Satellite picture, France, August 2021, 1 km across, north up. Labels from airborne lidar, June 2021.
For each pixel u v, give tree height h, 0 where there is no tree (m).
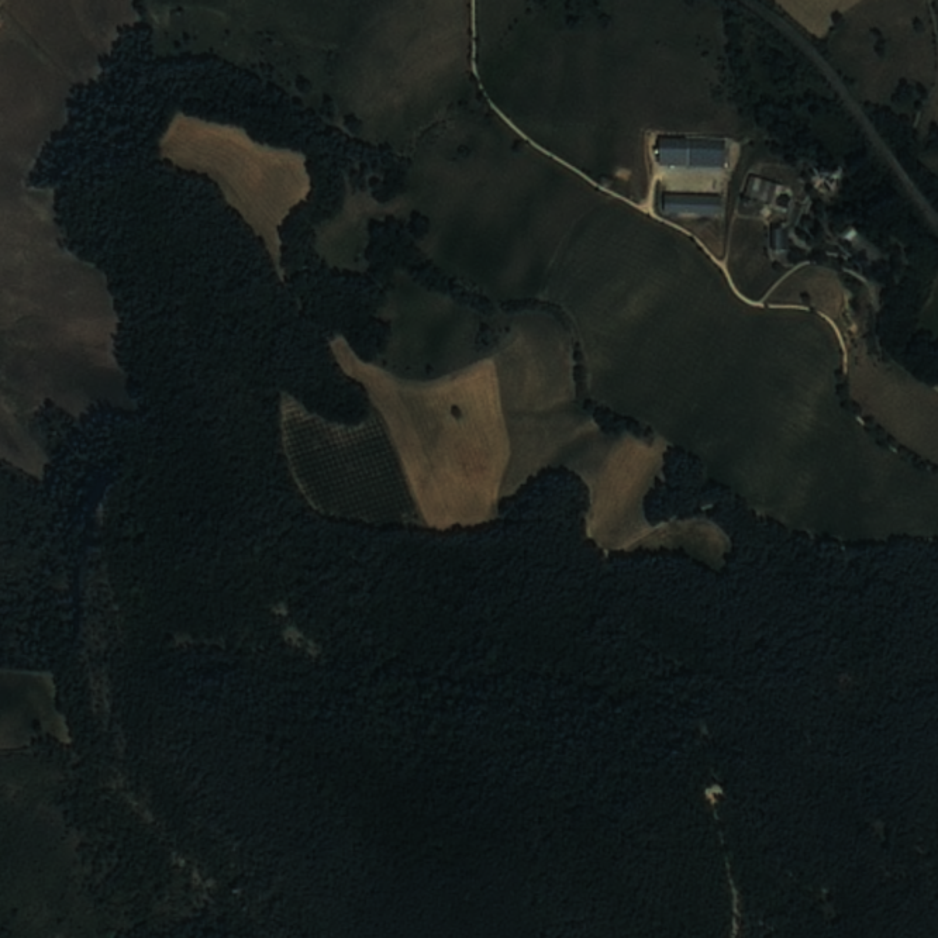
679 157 0
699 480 18
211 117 14
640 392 0
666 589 20
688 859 8
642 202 0
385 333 16
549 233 0
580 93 0
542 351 0
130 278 9
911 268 8
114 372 0
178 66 13
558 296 0
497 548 14
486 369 0
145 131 11
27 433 0
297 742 14
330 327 14
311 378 18
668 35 0
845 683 12
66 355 0
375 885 10
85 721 7
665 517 10
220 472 11
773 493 0
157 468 12
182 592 13
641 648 15
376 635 15
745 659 14
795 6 0
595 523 0
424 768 15
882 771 13
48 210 0
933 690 10
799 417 0
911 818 11
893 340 17
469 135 0
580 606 11
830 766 11
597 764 12
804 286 0
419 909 15
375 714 17
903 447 9
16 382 0
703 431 0
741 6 10
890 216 17
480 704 20
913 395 0
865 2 0
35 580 7
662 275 0
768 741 15
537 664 16
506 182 0
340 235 0
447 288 8
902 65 0
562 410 0
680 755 11
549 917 11
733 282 0
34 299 0
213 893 20
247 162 0
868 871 14
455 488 0
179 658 9
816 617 18
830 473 0
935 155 0
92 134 10
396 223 16
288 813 12
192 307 9
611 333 0
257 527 11
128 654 7
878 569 12
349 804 14
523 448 0
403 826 17
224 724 10
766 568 19
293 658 11
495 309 13
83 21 0
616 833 14
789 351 0
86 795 8
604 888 10
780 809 10
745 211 0
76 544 7
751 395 0
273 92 14
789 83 12
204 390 12
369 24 0
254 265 19
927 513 0
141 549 15
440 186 0
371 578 16
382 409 0
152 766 6
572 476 14
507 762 12
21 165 0
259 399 13
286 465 12
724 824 10
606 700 15
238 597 10
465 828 17
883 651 14
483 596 17
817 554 13
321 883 12
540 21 0
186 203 14
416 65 0
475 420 0
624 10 0
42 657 12
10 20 0
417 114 0
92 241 7
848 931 15
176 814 7
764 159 0
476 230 0
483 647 13
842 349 6
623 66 0
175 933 8
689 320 0
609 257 0
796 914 11
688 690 15
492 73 0
